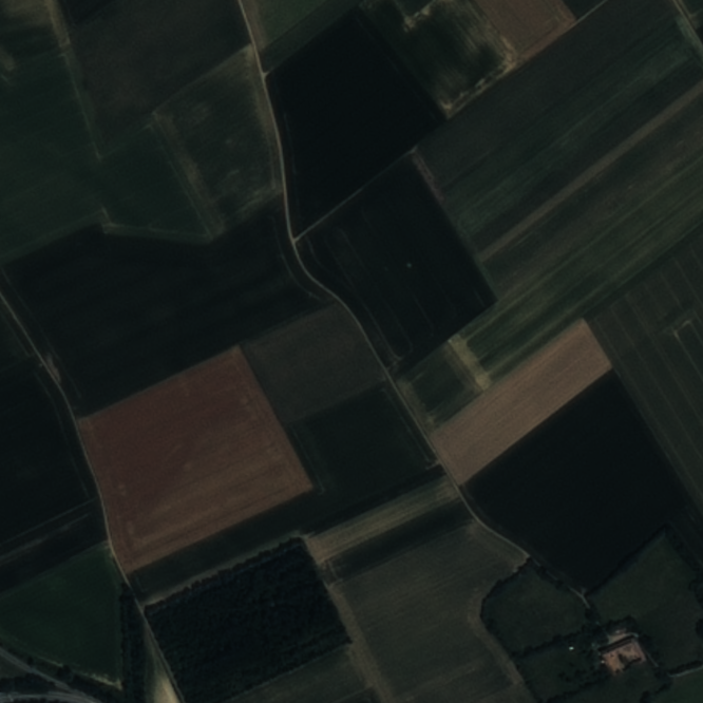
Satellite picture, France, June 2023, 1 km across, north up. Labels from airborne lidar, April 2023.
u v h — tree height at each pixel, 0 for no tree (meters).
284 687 0
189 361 0
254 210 0
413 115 0
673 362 0
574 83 0
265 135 0
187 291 0
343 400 0
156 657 0
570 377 0
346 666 0
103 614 0
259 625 7
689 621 0
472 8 0
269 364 0
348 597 0
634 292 0
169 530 0
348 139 0
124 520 0
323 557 0
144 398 0
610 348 0
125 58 0
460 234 0
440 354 0
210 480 0
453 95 0
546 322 0
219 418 0
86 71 0
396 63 0
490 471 0
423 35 0
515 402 0
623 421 0
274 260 0
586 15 0
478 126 0
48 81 0
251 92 0
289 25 0
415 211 0
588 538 0
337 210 0
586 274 0
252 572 13
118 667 0
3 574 0
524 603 0
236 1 0
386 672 0
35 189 0
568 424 0
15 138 0
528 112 0
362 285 0
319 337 0
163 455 0
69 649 0
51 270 0
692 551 0
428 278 0
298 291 0
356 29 0
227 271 0
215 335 0
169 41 0
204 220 0
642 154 0
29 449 0
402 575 0
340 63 0
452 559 0
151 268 0
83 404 0
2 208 0
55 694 0
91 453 0
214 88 0
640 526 0
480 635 0
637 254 0
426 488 0
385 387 0
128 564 0
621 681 0
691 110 0
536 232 0
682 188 0
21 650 0
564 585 8
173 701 0
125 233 0
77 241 0
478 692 0
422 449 0
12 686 12
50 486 0
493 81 0
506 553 0
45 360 0
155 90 0
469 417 0
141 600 0
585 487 0
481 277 0
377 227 0
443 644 0
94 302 0
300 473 0
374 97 0
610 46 0
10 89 0
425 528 0
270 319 0
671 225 0
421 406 0
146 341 0
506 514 0
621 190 0
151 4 0
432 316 0
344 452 0
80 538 0
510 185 0
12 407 0
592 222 0
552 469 0
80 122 0
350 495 0
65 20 0
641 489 0
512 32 0
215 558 0
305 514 0
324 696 0
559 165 0
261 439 0
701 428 0
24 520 0
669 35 0
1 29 0
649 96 0
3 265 0
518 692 0
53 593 0
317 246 0
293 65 0
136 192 0
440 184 0
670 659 0
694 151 0
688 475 0
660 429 0
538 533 0
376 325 0
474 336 0
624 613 0
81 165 0
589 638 8
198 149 0
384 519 0
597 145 0
